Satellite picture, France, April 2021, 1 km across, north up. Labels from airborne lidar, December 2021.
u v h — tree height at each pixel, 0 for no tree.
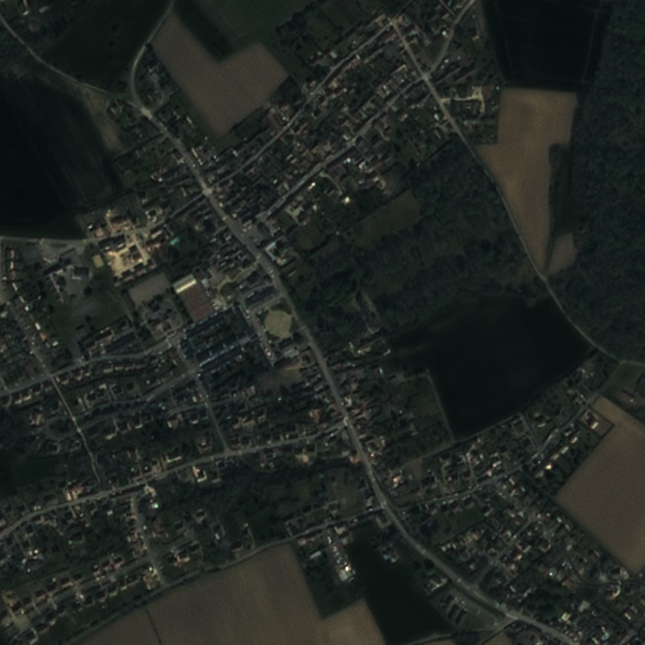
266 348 0
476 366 0
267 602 0
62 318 0
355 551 0
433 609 0
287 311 0
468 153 21
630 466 0
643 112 30
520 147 0
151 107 0
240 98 0
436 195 26
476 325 0
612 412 0
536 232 0
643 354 11
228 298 0
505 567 0
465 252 0
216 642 0
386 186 0
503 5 0
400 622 0
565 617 0
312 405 8
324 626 0
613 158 24
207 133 0
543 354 0
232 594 0
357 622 0
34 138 0
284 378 0
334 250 0
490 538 10
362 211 11
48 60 14
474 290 18
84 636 0
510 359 0
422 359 0
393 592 0
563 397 0
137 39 0
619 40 16
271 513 0
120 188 0
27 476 0
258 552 0
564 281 8
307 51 0
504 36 0
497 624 0
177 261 7
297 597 0
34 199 0
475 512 0
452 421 0
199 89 0
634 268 6
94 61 0
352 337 22
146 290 0
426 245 29
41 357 0
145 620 0
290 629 0
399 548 19
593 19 0
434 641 0
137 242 0
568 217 0
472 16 0
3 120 0
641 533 0
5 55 8
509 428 9
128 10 0
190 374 0
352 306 0
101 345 0
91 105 0
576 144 18
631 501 0
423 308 29
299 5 0
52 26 8
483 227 31
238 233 0
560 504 0
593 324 12
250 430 0
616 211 25
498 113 7
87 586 0
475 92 0
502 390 0
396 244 25
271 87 0
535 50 0
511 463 0
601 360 9
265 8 0
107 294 9
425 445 10
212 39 0
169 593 0
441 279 23
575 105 0
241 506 9
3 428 13
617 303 24
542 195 0
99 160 0
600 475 0
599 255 16
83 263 0
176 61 0
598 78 20
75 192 0
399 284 0
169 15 0
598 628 6
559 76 0
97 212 0
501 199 18
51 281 0
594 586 0
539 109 0
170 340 0
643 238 26
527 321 0
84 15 0
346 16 0
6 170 0
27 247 0
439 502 0
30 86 0
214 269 0
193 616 0
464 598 0
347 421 0
